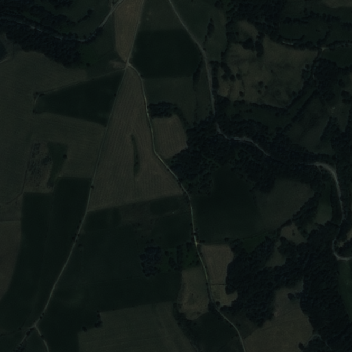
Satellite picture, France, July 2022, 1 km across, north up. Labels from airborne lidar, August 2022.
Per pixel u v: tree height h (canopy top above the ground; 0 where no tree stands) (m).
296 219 9
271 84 0
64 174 0
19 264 0
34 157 0
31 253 0
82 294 0
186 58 0
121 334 0
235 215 0
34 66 0
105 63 0
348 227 30
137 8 0
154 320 0
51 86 0
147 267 8
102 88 0
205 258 0
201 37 0
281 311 0
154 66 0
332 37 0
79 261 0
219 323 0
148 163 0
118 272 0
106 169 0
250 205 0
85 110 0
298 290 0
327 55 0
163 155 0
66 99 0
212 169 7
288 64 0
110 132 0
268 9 19
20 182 0
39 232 0
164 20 0
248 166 16
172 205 0
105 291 0
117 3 0
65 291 0
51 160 0
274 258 0
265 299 7
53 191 0
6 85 0
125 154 0
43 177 0
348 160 14
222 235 0
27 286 0
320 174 14
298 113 15
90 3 0
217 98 14
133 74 0
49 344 0
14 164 0
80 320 0
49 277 0
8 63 0
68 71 0
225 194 0
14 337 0
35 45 18
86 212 0
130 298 0
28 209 0
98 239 0
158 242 0
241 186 0
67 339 0
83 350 0
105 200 0
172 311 0
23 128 0
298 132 0
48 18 33
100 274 0
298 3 0
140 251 0
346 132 17
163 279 0
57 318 0
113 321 0
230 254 0
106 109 0
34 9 30
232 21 18
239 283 20
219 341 0
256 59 0
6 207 0
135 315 0
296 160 30
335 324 16
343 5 0
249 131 11
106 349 0
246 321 0
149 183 0
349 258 0
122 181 0
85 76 0
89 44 17
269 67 0
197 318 0
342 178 24
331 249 30
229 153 21
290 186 0
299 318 0
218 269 0
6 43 0
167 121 0
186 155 13
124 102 0
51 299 0
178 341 0
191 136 11
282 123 0
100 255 0
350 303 0
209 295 8
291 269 21
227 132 29
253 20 13
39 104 0
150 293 0
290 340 0
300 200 0
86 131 0
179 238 0
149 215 0
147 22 0
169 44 0
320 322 24
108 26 0
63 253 0
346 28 17
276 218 0
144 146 0
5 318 0
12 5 19
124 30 0
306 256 25
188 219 0
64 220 0
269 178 17
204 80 0
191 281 0
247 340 0
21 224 0
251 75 0
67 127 0
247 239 0
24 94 0
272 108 17
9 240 0
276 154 33
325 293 22
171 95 0
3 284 0
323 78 18
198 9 0
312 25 0
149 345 0
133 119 0
